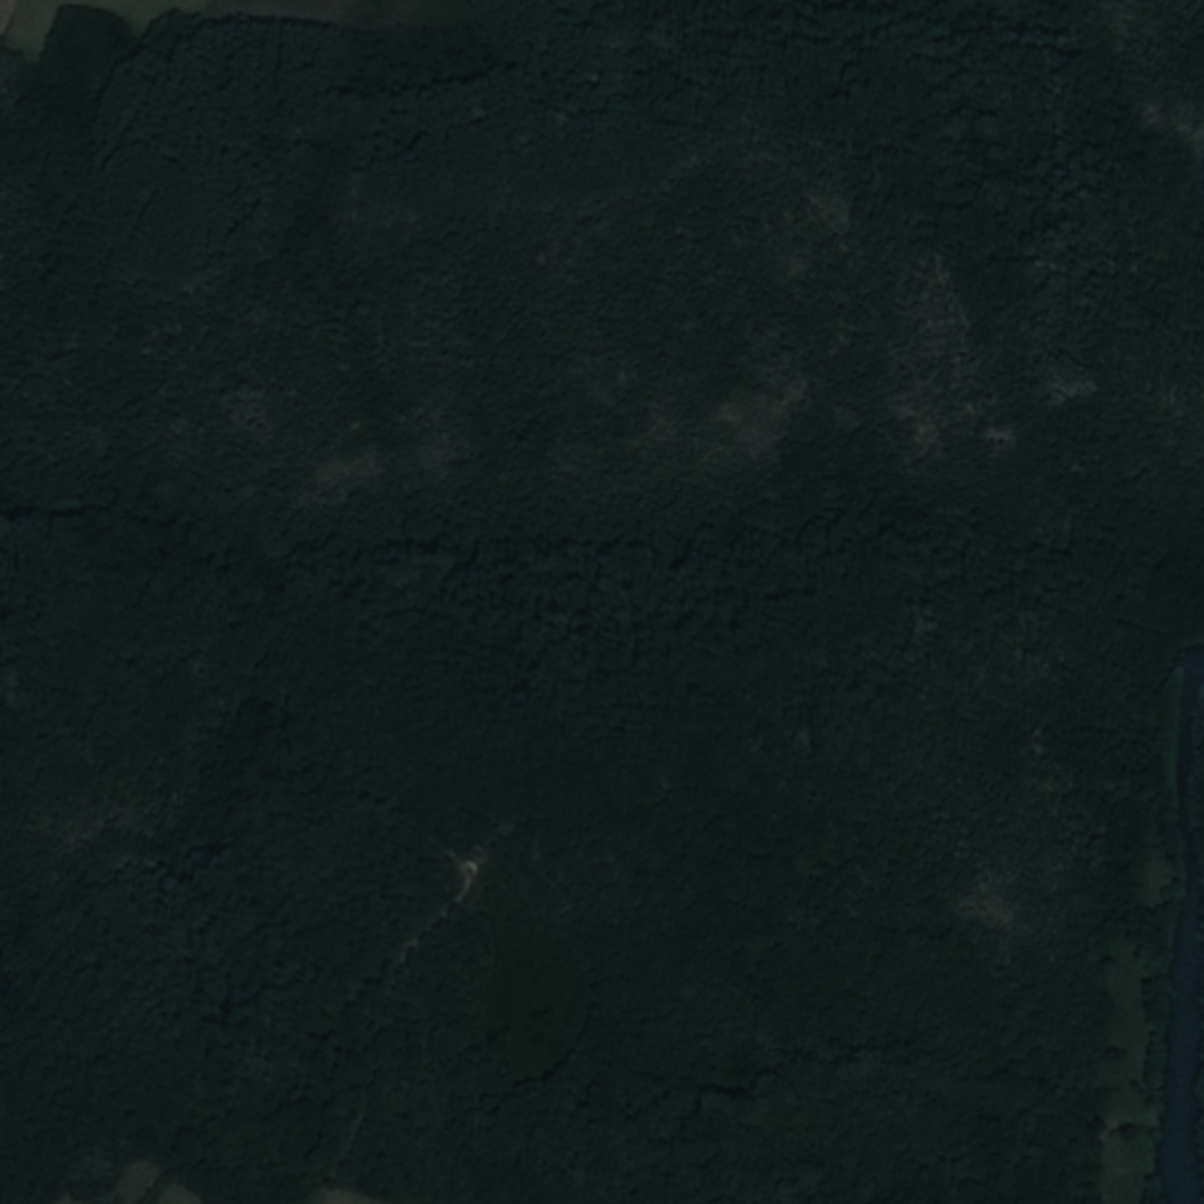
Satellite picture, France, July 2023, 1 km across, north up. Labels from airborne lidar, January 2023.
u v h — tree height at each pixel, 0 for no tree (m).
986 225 27
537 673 16
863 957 20
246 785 28
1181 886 11
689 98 18
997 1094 32
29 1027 20
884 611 25
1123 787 27
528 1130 17
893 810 20
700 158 20
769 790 17
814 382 11
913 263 13
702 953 21
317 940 20
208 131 27
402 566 23
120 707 21
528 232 8
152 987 20
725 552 24
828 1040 22
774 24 16
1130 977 0
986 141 18
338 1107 13
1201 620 19
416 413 10
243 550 19
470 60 6
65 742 19
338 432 12
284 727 18
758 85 16
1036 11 16
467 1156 16
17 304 23
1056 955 15
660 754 21
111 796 17
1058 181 31
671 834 15
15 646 27
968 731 15
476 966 15
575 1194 18
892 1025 20
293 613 26
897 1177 25
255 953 23
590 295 13
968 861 14
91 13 11
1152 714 18
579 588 27
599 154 25
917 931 7
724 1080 26
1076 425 25
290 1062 11
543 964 0
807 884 21
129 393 18
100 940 22
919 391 7
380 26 0
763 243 10
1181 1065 0
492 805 18
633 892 12
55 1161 12
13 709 17
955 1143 16
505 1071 18
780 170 12
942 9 19
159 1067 15
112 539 21
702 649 24
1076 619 18
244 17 11
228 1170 7
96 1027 16
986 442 14
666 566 24
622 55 10
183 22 10
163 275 22
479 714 21
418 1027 17
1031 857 9
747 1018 21
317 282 17
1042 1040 20
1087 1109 18
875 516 25
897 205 18
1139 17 7
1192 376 15
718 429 8
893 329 12
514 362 14
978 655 10
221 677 17
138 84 23
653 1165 25
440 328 17
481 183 24
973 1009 20
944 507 24
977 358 11
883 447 21
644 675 21
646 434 12
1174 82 20
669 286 15
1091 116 22
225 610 18
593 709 18
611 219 12
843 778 15
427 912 8
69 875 25
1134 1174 0
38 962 25
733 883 10
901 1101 17
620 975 20
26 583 25
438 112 24
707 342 11
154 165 24
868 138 24
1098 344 20
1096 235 24
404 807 16
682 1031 20
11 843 21
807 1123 17
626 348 15
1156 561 23
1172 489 25
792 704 15
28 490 27
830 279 16
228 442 14
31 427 19
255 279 13
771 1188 27
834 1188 23
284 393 14
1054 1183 22
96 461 12
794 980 23
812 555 24
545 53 25
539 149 24
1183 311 21
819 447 16
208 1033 16
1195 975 0
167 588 16
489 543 25
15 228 14
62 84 8
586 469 11
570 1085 23
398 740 18
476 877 0
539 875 6
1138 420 16
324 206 11
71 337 21
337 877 23
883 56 27
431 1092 9
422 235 10
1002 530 26
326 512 16
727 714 21
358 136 5
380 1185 9
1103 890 19
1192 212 18
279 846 27
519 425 20
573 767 22
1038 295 26
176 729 21
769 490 13
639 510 20
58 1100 14
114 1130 13
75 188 23
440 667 20
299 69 27
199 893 26
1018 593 18
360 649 21
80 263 17
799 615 20
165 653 17
